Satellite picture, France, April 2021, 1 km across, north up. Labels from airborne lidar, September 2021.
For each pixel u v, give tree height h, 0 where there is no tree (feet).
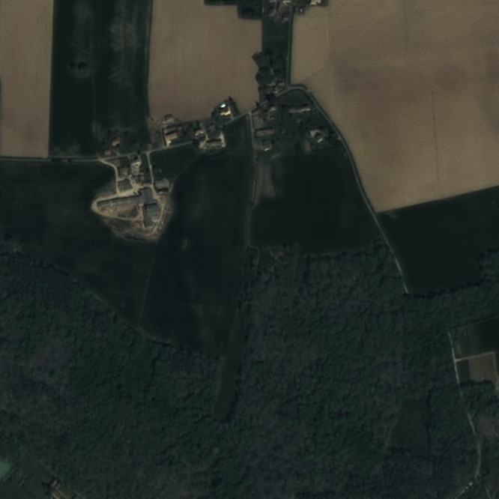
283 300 50
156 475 40
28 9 0
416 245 0
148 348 42
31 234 0
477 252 0
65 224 0
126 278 0
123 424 55
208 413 32
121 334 80
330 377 66
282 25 0
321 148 24
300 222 0
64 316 66
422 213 0
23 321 73
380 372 56
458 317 69
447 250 0
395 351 60
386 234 0
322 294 64
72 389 54
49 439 60
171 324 0
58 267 0
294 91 0
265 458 49
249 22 0
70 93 0
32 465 0
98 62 0
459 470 64
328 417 59
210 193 0
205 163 0
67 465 52
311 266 65
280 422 56
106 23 0
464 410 72
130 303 0
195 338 0
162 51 0
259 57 41
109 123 0
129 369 56
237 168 0
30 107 0
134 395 49
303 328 67
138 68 0
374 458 63
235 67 0
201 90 0
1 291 65
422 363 72
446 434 88
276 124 0
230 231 0
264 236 0
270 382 62
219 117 35
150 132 0
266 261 0
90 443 51
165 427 57
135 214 0
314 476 82
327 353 57
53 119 0
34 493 0
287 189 0
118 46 0
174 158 0
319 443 55
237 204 0
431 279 0
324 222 0
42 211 0
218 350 0
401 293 70
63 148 0
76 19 0
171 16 0
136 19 0
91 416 74
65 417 46
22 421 57
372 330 62
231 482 73
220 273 0
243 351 0
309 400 58
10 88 0
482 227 0
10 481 21
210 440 71
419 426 20
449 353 68
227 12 0
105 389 86
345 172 0
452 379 63
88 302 67
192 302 0
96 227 0
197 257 0
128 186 0
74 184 0
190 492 59
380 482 66
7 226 0
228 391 0
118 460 65
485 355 0
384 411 58
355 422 62
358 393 71
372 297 61
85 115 0
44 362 35
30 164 0
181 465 52
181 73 0
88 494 41
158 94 0
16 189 0
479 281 0
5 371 56
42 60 0
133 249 0
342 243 0
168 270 0
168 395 67
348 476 63
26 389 82
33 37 0
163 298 0
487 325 0
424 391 52
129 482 55
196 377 76
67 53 0
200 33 0
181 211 0
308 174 0
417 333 67
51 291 77
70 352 50
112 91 0
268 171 0
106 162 0
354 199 0
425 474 45
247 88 0
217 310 0
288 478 61
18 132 0
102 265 0
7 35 0
